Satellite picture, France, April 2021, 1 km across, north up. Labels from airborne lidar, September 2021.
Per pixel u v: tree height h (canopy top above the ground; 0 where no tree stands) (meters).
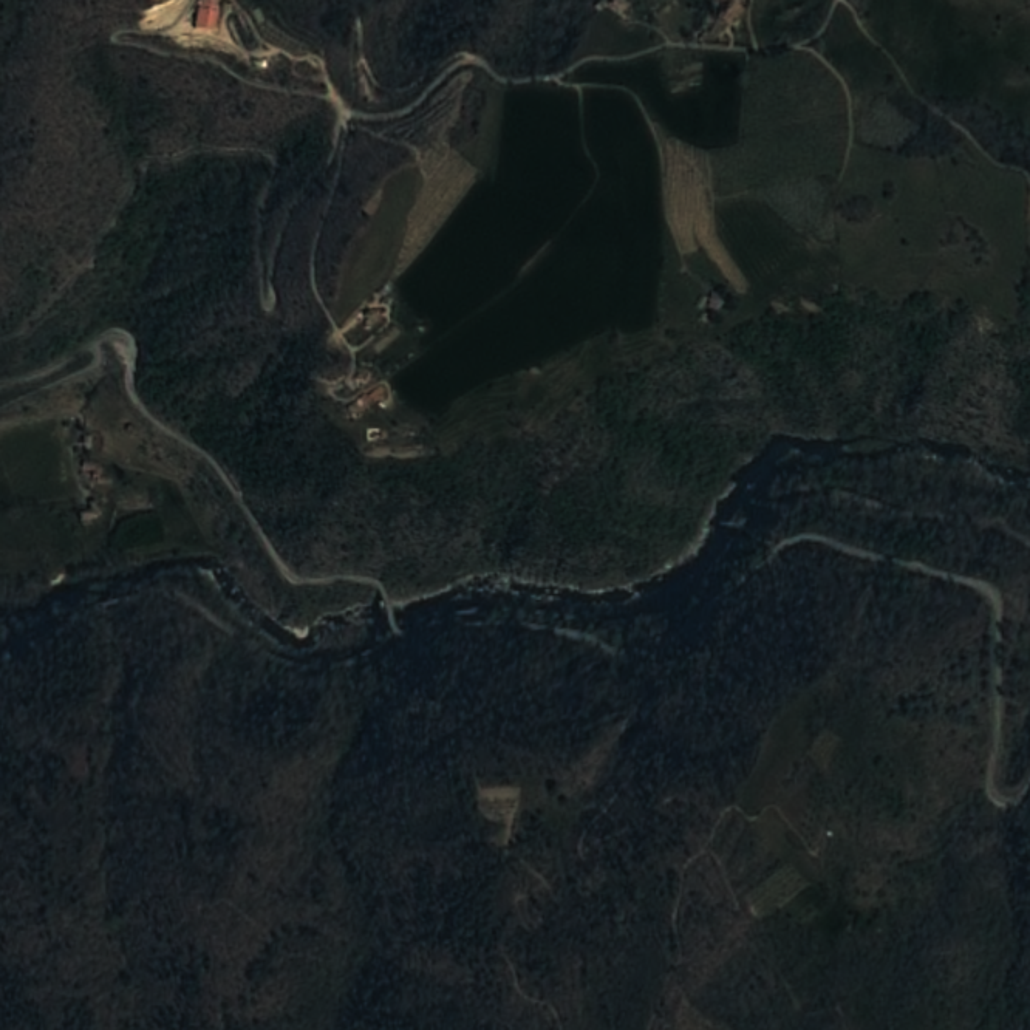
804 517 8
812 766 8
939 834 8
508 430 0
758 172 0
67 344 9
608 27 0
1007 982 19
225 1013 9
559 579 9
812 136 0
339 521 7
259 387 8
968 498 16
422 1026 12
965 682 11
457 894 10
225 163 8
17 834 6
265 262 9
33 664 24
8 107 10
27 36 15
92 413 0
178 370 6
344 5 13
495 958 8
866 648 13
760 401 6
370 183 7
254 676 13
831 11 0
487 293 0
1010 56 0
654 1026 6
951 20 0
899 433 15
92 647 16
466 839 12
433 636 11
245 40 0
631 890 12
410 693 11
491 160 0
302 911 7
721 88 0
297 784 6
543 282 0
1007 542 10
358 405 0
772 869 6
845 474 11
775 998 14
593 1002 12
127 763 15
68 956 8
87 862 7
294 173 10
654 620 15
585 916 16
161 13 0
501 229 0
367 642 6
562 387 0
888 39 0
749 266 0
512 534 12
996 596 0
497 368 0
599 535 6
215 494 11
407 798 11
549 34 10
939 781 5
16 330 10
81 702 17
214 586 14
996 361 7
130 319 15
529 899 7
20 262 9
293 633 0
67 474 0
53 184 9
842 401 12
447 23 11
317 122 10
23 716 18
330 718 12
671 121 0
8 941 7
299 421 6
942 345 6
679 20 0
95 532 0
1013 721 13
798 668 8
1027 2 6
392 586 13
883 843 7
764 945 16
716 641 9
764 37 0
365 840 9
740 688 11
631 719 15
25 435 0
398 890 12
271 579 13
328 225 9
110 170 7
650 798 14
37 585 16
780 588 8
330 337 0
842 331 11
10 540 0
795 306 0
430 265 0
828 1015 13
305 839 12
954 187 0
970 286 0
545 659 6
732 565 8
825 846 6
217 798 14
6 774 16
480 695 7
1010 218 0
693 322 0
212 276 8
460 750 7
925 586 6
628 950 14
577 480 11
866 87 0
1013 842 22
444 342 0
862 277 0
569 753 6
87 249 11
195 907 6
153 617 8
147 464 0
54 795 12
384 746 10
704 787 10
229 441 13
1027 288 9
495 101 0
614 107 0
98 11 9
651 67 0
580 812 18
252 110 10
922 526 6
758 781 0
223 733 12
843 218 9
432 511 6
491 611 15
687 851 7
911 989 10
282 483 8
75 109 6
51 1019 7
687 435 10
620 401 11
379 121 7
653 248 0
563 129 0
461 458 7
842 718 10
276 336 7
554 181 0
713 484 8
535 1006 5
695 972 7
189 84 11
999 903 14
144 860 7
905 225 0
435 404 0
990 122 8
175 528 0
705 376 7
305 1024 8
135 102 10
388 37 8
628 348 0
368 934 16
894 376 14
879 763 12
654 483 8
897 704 8
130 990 7
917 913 17
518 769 11
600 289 0
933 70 0
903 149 8
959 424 6
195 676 9
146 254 10
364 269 0
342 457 6
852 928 11
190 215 15
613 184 0
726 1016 10
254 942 7
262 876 13
